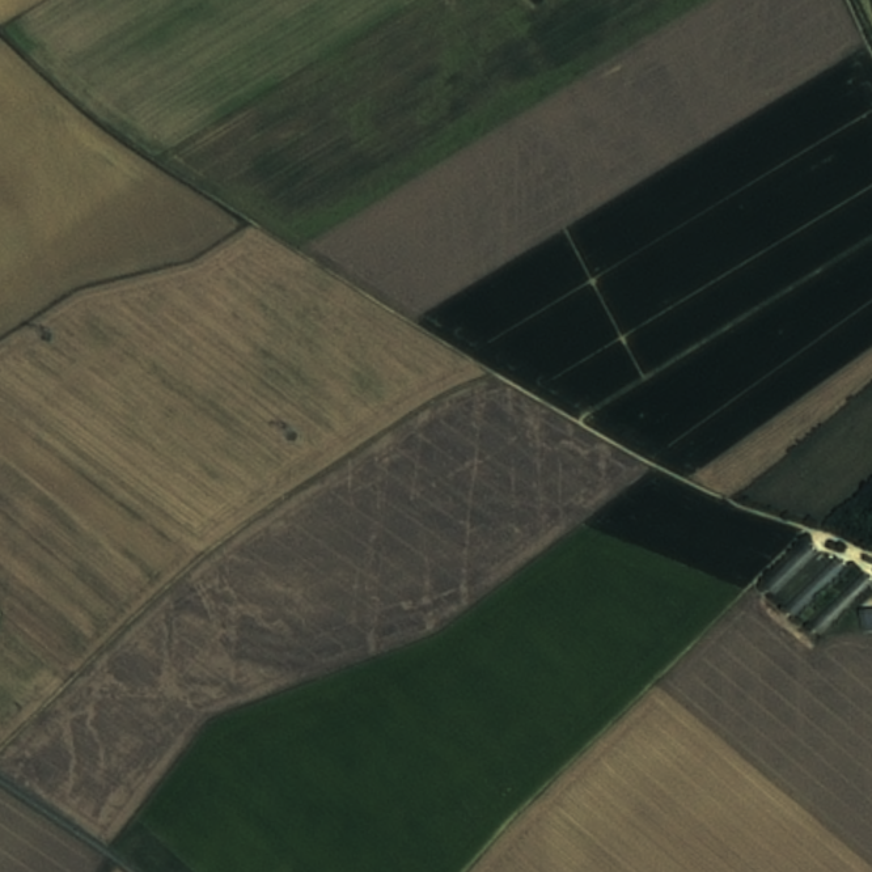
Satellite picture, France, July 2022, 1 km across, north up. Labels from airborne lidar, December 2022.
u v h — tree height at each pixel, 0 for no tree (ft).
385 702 0
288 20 0
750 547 0
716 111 0
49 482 0
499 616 0
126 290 0
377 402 0
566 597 0
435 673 0
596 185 0
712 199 0
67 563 0
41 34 0
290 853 0
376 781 0
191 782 0
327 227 0
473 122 0
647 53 0
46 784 0
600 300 0
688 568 0
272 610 0
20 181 0
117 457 0
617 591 0
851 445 0
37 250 0
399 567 0
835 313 0
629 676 0
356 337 0
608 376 0
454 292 0
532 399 0
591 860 0
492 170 0
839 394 0
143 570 0
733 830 0
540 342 0
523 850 0
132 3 0
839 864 0
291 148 0
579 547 0
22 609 0
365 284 0
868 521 53
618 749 0
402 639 0
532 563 0
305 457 0
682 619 0
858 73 0
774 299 0
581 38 0
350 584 0
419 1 0
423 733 0
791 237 0
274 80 0
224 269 0
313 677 0
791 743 0
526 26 0
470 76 0
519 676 0
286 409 0
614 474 0
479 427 0
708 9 0
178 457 0
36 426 0
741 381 0
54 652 0
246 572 0
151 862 0
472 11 0
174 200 0
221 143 0
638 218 0
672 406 0
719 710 0
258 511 0
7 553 0
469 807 0
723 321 0
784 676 0
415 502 0
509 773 0
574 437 0
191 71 0
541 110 0
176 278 0
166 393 0
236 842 0
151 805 0
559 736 0
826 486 0
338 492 0
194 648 0
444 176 0
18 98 0
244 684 0
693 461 0
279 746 0
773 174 0
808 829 0
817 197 0
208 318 0
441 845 0
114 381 0
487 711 0
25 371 0
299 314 0
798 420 0
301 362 0
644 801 0
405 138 0
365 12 0
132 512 0
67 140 0
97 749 0
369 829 0
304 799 0
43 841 0
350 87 0
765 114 0
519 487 0
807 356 0
